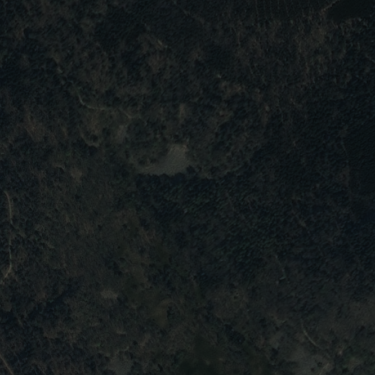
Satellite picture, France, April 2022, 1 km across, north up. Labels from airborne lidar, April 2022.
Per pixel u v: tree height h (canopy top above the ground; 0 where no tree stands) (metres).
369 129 16
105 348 27
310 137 32
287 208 34
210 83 10
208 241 21
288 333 14
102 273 23
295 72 26
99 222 20
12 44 22
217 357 0
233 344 23
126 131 0
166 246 21
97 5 14
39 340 38
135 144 27
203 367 0
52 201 25
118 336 21
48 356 21
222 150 33
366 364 23
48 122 16
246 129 28
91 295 16
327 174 27
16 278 15
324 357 16
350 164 15
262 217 41
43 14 38
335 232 26
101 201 8
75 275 30
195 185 37
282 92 24
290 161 34
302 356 0
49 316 28
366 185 11
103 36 21
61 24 28
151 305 0
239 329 23
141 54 20
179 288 20
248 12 25
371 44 25
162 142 10
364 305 18
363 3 10
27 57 23
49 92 16
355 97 29
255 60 30
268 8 17
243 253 37
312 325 19
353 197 12
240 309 25
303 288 25
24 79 24
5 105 30
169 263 0
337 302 20
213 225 28
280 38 23
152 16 27
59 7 14
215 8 22
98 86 22
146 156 23
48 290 32
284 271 19
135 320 16
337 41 28
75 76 16
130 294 0
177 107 27
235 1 24
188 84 21
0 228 36
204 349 0
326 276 31
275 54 22
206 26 19
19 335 39
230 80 16
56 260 32
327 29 27
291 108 29
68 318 22
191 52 29
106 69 19
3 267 22
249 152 27
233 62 23
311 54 28
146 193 25
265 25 29
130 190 22
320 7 19
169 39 23
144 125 22
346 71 26
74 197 20
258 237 32
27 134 32
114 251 22
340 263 26
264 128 28
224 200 37
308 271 18
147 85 12
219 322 19
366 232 28
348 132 9
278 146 27
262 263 30
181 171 0
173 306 12
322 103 30
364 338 27
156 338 19
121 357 14
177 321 20
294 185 32
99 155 30
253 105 19
